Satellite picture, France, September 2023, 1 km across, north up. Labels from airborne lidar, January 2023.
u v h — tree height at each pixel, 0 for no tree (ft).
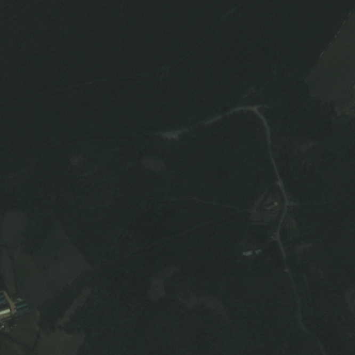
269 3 72
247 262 94
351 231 51
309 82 0
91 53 45
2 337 0
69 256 0
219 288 46
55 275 0
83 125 70
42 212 71
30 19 69
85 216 68
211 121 0
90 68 55
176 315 89
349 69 0
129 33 49
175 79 67
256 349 47
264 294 51
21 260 0
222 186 57
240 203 61
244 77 66
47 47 64
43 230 43
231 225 60
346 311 50
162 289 0
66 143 74
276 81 88
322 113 31
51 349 0
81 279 33
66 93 69
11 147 53
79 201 72
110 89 65
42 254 0
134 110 56
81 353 47
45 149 62
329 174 67
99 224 49
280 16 62
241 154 67
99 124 67
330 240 47
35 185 78
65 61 64
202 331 88
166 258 48
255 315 46
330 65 0
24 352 0
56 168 92
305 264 29
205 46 49
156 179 54
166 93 71
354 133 78
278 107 62
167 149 49
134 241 80
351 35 0
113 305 89
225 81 69
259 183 61
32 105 53
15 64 64
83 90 62
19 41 77
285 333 92
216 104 54
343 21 40
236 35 54
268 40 51
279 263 79
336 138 58
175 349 66
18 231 0
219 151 57
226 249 57
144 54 55
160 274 0
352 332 22
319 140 53
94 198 61
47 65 69
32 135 56
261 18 51
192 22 48
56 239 0
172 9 48
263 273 58
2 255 0
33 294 0
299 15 47
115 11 40
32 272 0
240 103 28
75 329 47
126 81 62
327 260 50
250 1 80
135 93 68
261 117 0
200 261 64
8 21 61
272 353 64
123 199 40
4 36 70
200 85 56
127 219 63
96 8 60
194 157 64
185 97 61
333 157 56
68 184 70
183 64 65
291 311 85
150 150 64
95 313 32
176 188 61
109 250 28
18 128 48
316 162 69
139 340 70
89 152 44
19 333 0
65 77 71
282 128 66
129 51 52
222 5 52
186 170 49
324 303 58
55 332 0
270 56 57
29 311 0
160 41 53
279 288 50
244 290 62
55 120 56
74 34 57
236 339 27
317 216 51
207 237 63
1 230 0
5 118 50
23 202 83
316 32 53
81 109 56
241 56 51
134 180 50
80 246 59
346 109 0
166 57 56
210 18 59
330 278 65
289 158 91
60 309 53
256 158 61
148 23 54
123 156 75
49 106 54
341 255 71
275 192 27
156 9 58
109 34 44
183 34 55
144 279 56
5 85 56
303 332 23
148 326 87
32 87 52
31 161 44
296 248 0
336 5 56
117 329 27
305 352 106
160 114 60
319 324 50
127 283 91
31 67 70
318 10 48
